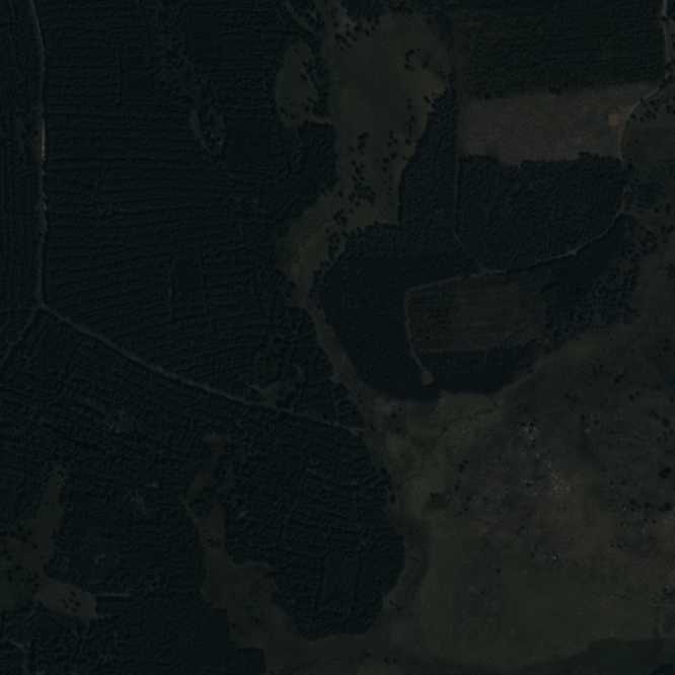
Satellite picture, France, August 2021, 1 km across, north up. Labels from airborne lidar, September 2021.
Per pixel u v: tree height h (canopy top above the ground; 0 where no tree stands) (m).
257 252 18
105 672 14
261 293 17
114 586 7
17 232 17
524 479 0
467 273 9
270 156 19
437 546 0
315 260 0
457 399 0
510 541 0
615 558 0
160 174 17
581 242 6
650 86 0
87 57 19
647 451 0
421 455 0
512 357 7
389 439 0
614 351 0
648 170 0
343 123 0
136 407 21
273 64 19
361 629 8
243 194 20
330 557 9
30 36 17
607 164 10
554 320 11
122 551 8
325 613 9
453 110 12
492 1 6
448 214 15
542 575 0
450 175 13
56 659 9
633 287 14
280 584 12
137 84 12
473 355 7
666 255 0
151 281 19
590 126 0
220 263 19
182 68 20
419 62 0
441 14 6
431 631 0
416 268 8
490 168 14
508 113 0
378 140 0
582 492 0
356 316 7
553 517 0
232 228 19
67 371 18
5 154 18
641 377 0
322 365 16
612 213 8
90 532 8
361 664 0
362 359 7
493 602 0
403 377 7
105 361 20
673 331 0
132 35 17
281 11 19
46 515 0
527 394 0
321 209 0
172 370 18
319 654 0
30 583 8
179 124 17
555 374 0
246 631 0
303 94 0
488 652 0
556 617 0
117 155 17
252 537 17
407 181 15
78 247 16
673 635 0
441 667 0
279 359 12
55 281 17
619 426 0
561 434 0
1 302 19
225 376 21
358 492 17
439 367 7
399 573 15
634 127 0
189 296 15
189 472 13
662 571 0
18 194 14
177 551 16
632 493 0
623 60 6
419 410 0
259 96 15
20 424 20
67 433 9
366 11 6
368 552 13
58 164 17
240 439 14
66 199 17
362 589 15
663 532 0
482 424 0
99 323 17
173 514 10
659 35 7
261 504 15
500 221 10
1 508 6
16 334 18
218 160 19
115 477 10
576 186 9
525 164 7
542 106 0
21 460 18
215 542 7
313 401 14
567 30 6
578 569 0
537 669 0
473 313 0
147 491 8
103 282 17
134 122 16
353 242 11
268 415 15
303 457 12
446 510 0
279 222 21
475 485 0
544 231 8
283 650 0
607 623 0
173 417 20
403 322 9
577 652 0
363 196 10
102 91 17
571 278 10
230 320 19
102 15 17
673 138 0
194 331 19
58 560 9
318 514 15
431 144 15
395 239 15
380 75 0
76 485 15
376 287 7
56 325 17
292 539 14
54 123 20
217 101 16
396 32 0
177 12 17
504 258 7
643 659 0
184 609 14
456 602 0
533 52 6
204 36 14
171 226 17
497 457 0
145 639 14
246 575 0
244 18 17
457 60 0
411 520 0
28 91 22
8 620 15
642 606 0
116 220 17
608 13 8
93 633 11
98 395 20
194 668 10
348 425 14
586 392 0
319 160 17
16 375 19
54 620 10
